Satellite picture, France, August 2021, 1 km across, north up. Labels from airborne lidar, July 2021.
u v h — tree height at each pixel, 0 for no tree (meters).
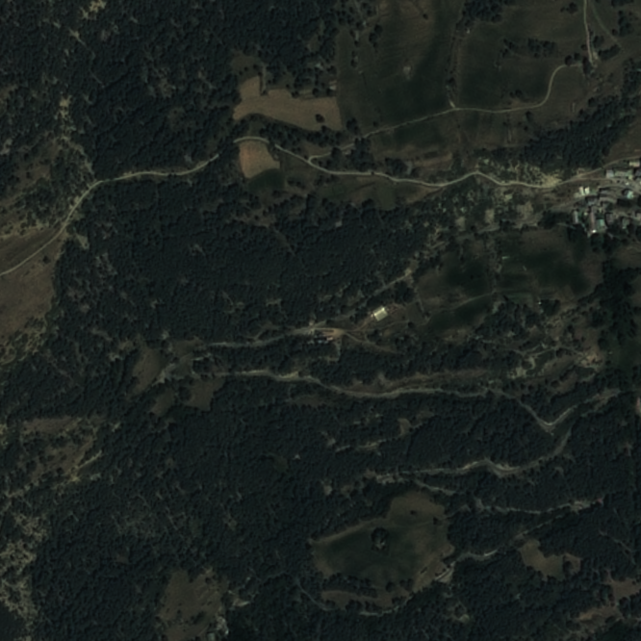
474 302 0
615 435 18
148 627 16
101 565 8
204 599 0
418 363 13
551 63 0
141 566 15
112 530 17
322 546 0
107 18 14
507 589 15
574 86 0
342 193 0
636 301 0
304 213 10
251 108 0
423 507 0
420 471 9
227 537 13
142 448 22
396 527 0
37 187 0
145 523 9
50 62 16
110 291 11
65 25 14
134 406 11
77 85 14
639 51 0
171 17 17
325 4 12
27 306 0
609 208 5
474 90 0
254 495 16
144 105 14
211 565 6
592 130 14
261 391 17
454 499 15
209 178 15
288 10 17
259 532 21
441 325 0
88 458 7
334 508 15
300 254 15
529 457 11
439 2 0
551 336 0
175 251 14
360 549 0
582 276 0
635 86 12
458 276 0
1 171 13
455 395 9
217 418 14
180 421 11
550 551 15
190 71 11
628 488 17
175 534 18
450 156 0
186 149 12
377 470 10
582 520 13
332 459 18
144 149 16
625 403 18
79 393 14
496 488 14
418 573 0
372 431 10
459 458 14
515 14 0
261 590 11
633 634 18
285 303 13
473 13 9
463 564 10
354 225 14
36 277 0
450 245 9
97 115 18
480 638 21
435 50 0
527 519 11
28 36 10
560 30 0
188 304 13
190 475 16
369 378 13
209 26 14
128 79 18
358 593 10
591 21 0
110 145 13
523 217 0
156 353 0
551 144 13
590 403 7
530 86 0
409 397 12
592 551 17
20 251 0
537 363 0
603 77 0
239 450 19
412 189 0
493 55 0
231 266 16
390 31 0
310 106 0
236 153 13
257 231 16
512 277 0
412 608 19
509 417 12
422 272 11
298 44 16
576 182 0
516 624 19
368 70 0
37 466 13
